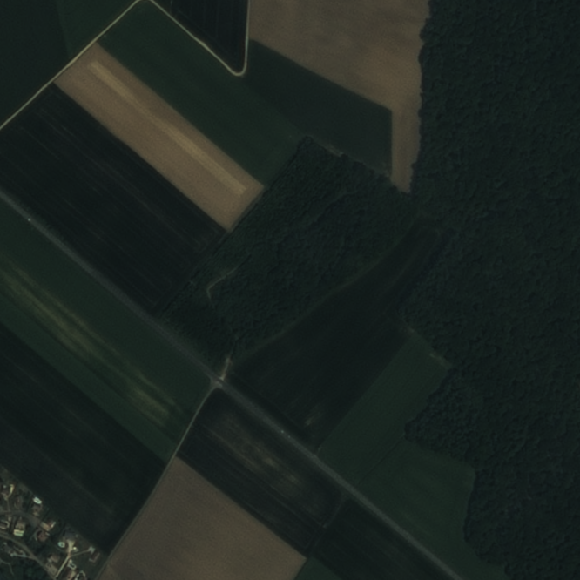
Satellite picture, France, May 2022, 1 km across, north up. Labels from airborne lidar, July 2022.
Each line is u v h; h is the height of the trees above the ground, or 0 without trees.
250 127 0
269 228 11
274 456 0
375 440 0
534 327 27
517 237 26
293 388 0
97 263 0
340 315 0
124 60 0
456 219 19
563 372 20
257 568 0
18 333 0
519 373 25
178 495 0
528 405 23
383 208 20
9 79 0
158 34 0
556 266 21
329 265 17
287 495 0
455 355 22
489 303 27
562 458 23
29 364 0
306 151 17
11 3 0
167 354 0
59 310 0
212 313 8
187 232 0
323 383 0
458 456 17
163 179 0
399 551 0
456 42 16
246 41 0
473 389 26
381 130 0
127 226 0
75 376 0
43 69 0
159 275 0
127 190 0
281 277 16
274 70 0
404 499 0
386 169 0
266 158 0
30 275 0
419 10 0
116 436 0
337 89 0
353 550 0
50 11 0
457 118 27
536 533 23
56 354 0
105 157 0
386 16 0
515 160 23
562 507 25
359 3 0
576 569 23
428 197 24
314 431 0
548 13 25
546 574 25
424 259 0
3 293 0
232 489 0
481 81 24
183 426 0
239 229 7
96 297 0
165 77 0
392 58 0
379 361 0
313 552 0
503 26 26
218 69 0
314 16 0
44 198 0
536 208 27
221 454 0
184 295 8
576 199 25
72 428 0
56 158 0
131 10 0
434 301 29
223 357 9
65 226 0
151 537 0
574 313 23
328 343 0
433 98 24
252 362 0
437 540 0
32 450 0
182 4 0
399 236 24
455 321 27
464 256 28
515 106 26
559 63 31
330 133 0
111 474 0
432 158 26
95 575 0
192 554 0
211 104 0
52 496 0
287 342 0
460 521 0
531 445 24
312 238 18
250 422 0
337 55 0
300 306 20
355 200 17
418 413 0
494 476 25
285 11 0
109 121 0
